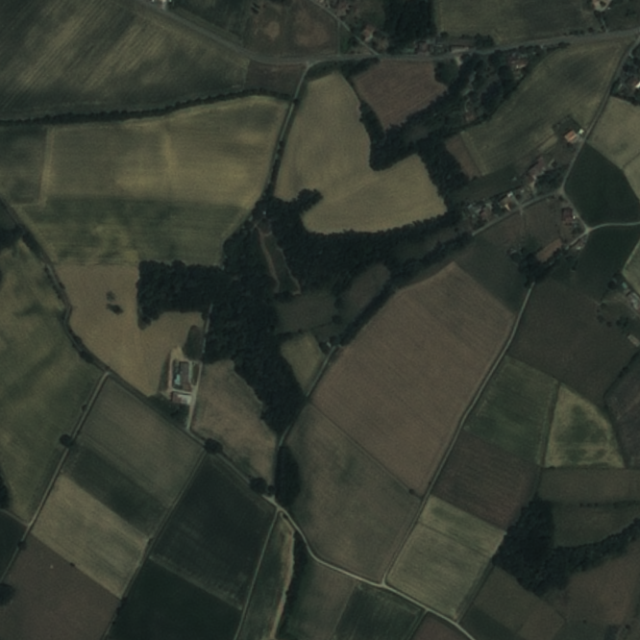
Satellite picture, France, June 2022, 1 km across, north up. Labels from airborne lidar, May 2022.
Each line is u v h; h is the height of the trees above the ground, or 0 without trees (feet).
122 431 0
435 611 0
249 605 0
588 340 0
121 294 0
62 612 0
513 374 0
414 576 0
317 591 0
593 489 0
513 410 0
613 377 0
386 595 0
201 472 0
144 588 0
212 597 0
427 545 0
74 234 0
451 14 0
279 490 55
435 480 0
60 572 0
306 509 0
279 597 0
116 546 0
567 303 0
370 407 0
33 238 57
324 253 81
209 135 0
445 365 0
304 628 0
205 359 39
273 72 0
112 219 0
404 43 45
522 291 0
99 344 0
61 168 0
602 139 0
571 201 0
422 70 0
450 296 0
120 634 0
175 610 0
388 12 21
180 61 0
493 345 0
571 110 0
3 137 0
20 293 0
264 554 0
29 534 0
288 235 66
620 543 39
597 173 0
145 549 0
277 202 27
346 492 0
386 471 0
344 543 0
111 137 0
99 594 0
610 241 0
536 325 0
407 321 0
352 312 0
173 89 0
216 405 0
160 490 0
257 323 78
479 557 0
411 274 62
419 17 40
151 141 0
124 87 0
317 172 0
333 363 0
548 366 0
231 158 0
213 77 0
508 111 0
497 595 0
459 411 0
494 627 0
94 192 0
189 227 0
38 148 0
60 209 0
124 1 0
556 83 0
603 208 0
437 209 0
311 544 0
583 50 0
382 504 0
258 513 0
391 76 0
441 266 0
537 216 0
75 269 0
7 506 31
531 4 0
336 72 0
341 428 0
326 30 0
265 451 0
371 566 0
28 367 0
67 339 0
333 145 0
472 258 0
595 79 0
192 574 0
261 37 0
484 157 0
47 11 0
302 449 0
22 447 0
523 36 0
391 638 0
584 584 0
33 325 0
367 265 28
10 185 0
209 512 0
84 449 0
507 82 66
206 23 0
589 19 0
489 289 0
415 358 0
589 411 0
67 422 0
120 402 0
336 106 0
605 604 0
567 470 0
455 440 0
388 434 0
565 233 0
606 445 0
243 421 0
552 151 0
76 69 0
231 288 72
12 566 0
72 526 0
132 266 0
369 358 0
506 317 0
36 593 0
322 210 0
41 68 0
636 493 0
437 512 0
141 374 0
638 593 0
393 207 0
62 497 0
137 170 0
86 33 0
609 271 0
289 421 56
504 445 0
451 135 29
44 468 0
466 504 0
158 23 0
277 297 39
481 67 60
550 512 40
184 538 0
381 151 77
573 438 0
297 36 0
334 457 0
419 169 0
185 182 0
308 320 0
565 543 0
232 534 0
